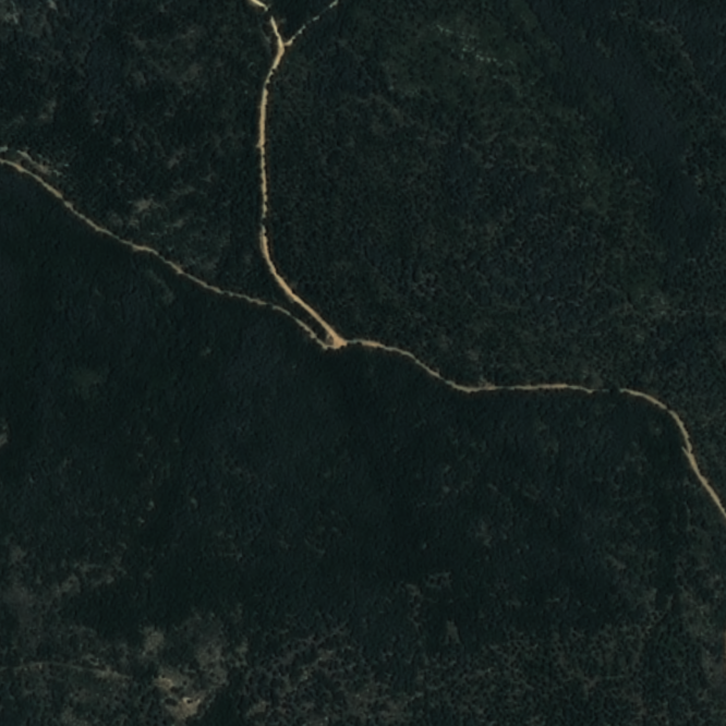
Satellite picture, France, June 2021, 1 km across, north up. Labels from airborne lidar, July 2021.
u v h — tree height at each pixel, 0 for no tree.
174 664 6
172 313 9
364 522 10
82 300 10
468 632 10
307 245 14
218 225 6
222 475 12
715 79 7
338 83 9
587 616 11
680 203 17
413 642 9
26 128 10
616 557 8
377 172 7
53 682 7
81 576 6
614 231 8
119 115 9
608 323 6
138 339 9
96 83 11
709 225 8
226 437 12
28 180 12
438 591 10
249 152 10
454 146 10
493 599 7
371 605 12
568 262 12
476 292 7
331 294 11
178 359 12
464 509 12
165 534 11
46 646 7
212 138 6
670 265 10
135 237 9
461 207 9
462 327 12
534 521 9
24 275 14
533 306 10
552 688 12
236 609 7
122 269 11
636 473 8
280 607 11
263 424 11
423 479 7
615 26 10
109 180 6
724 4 8
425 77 9
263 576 10
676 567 12
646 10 8
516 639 11
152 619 9
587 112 10
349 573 12
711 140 9
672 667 8
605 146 9
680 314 8
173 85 6
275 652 11
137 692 11
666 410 7
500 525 9
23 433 11
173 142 10
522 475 7
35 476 9
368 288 9
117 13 6
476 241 8
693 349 12
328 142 9
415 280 13
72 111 9
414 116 7
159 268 12
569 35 11
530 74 8
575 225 12
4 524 9
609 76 12
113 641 7
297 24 9
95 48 11
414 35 7
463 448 10
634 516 8
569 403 7
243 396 8
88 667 6
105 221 7
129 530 8
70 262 8
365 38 6
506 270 9
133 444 7
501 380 8
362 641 11
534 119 9
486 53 0
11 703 9
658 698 10
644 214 7
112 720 9
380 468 12
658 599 8
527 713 12
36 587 7
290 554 11
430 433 10
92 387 8
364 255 8
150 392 11
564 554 12
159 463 6
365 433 14
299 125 11
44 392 13
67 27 7
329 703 8
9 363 12
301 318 10
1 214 12
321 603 14
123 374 11
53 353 7
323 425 10
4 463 11
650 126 14
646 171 7
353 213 7
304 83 7
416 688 6
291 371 11
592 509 8
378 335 12
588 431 9
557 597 9
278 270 8
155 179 10
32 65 9
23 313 11
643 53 7
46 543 9
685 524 10
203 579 9
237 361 15
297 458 9
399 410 8
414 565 11
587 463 10
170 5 8
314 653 12
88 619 8
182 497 11
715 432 8
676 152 14
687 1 8
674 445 11
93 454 9
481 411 6
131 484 6
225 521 7
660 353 10
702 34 9
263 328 13
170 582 10
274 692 12
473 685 7
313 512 9
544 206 10
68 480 6
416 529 13
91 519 9
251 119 8
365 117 9
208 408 13
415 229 11
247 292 11
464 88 7
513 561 11
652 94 13
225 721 9
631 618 10
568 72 9
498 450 9
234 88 10
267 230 12
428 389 11
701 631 0
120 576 8
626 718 8
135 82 9
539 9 14
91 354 9
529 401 11
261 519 11
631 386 10
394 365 11
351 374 11
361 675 7
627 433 9
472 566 8
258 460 10
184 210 12
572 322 8
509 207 12
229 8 8
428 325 10
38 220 12
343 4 7
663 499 9
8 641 7
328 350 9
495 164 9
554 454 10
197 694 0
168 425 11
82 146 6
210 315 11
